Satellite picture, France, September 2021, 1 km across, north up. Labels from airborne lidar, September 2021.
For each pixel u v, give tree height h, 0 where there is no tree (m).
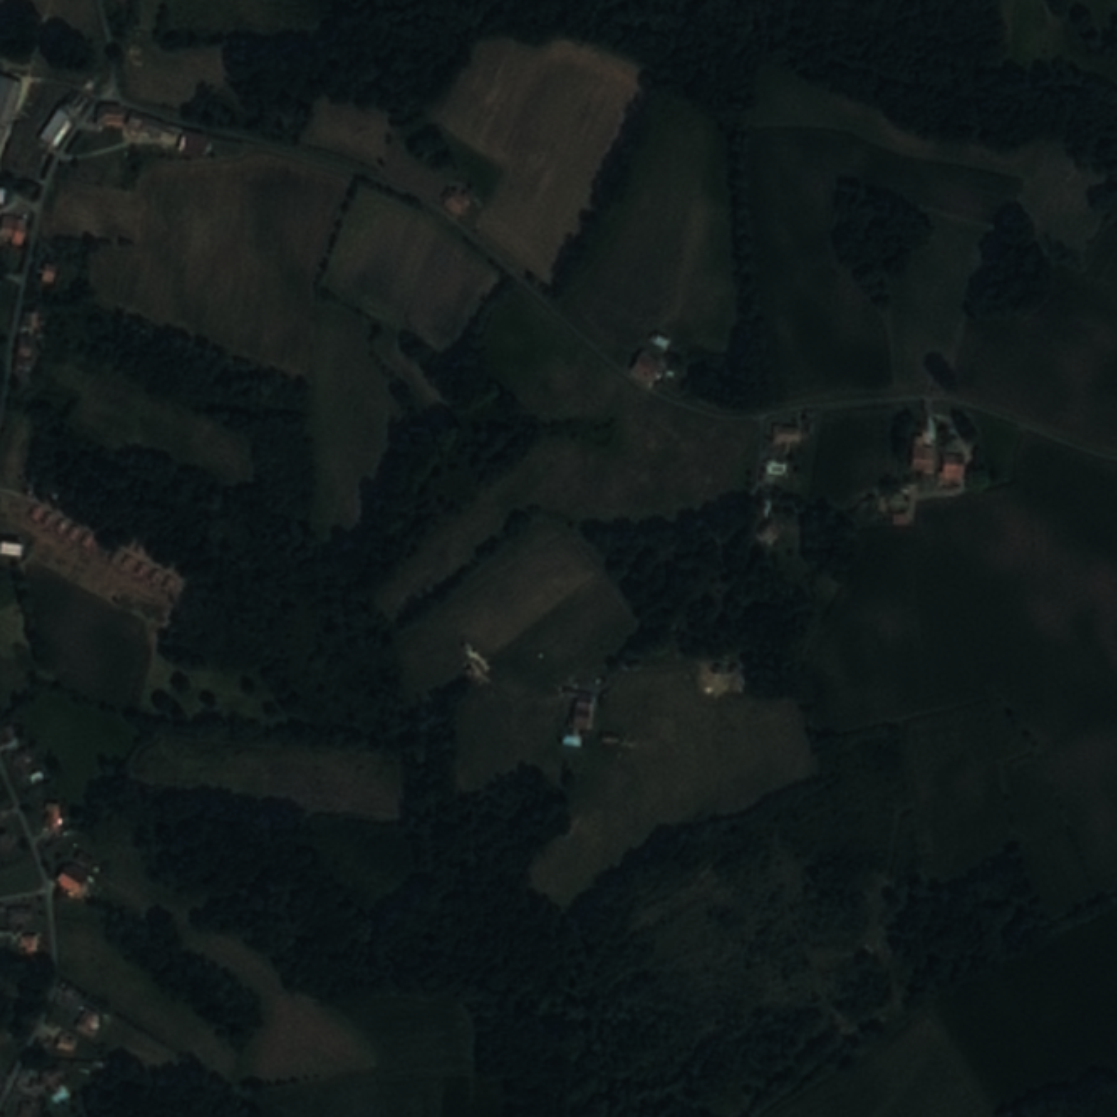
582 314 0
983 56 26
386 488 23
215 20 0
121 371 10
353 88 15
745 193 8
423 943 20
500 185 0
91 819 16
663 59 21
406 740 21
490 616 0
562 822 18
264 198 0
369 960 24
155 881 17
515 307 0
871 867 8
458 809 18
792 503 7
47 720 0
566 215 0
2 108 0
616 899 16
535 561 0
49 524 0
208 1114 20
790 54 21
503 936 23
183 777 0
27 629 8
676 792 0
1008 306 20
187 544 13
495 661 0
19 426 0
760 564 16
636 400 0
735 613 15
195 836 25
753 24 7
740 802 0
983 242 0
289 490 12
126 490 21
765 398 13
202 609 17
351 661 7
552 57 0
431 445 23
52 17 0
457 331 0
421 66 25
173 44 10
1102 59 17
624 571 11
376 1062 0
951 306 0
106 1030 0
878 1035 13
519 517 9
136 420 0
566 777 12
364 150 0
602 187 14
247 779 0
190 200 0
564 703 0
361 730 8
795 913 8
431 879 21
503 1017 26
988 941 26
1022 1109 14
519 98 0
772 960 6
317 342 0
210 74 0
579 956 16
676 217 0
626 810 0
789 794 8
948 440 7
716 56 24
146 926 14
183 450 0
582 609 0
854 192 13
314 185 0
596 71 0
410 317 0
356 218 0
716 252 0
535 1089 26
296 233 0
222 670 10
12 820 0
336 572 19
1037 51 0
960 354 0
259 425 14
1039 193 0
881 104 19
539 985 26
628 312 0
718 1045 13
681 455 0
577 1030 16
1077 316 0
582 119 0
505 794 19
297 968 23
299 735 19
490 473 11
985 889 16
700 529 16
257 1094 13
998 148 17
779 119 0
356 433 0
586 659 0
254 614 7
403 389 13
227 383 17
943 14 21
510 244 0
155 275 0
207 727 16
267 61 24
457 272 0
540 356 0
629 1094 21
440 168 6
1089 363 0
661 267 0
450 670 0
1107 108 20
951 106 30
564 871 0
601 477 0
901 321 0
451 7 19
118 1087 18
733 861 8
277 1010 0
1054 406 0
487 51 0
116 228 0
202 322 0
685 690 0
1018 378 0
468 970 27
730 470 0
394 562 19
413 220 0
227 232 0
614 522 0
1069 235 0
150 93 0
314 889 33
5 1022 13
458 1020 0
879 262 16
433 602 10
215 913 16
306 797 0
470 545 0
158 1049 0
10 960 17
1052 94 20
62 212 0
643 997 13
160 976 18
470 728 0
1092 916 7
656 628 15
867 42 18
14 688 0
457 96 0
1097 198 15
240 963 0
